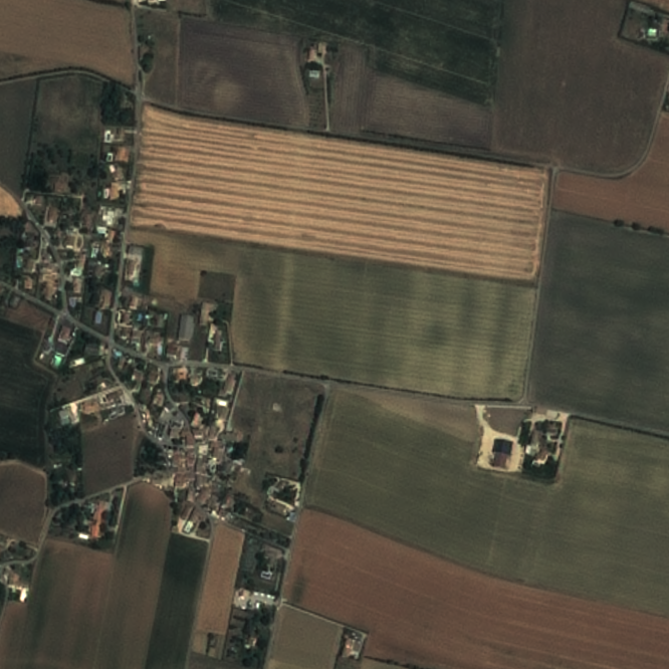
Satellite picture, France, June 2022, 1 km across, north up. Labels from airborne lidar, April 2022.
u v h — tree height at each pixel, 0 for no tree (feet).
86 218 0
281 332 0
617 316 0
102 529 29
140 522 0
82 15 0
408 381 0
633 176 0
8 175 0
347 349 0
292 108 0
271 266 0
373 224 0
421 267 0
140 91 0
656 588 0
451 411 0
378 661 28
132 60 0
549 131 0
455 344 0
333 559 0
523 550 0
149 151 0
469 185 0
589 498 0
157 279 0
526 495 0
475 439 0
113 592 0
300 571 0
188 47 0
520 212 0
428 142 22
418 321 0
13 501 0
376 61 0
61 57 0
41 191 29
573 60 0
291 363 0
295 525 0
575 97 0
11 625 0
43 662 0
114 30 0
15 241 32
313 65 27
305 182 0
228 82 0
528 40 0
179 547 0
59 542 0
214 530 0
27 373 0
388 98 0
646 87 0
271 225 0
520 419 0
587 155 0
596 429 0
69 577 0
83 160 0
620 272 0
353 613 0
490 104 0
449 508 0
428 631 0
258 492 0
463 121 0
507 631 0
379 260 0
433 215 0
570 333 0
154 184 0
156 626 0
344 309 0
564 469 0
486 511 0
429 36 0
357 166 0
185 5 0
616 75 0
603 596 0
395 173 0
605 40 0
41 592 0
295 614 0
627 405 0
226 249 0
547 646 0
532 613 0
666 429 0
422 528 0
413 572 0
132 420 0
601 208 0
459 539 0
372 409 0
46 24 0
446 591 0
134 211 0
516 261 0
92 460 0
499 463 0
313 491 0
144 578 0
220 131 0
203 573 0
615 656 0
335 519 0
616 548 0
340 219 0
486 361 0
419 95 0
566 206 0
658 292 0
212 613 0
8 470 0
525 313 0
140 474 22
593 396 0
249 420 0
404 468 0
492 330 0
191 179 0
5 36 0
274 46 0
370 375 0
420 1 0
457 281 0
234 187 0
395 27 0
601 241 0
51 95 0
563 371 0
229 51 0
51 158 36
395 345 0
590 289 0
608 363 0
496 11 0
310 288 0
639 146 0
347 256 0
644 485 0
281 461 0
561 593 0
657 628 0
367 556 0
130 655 0
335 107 0
